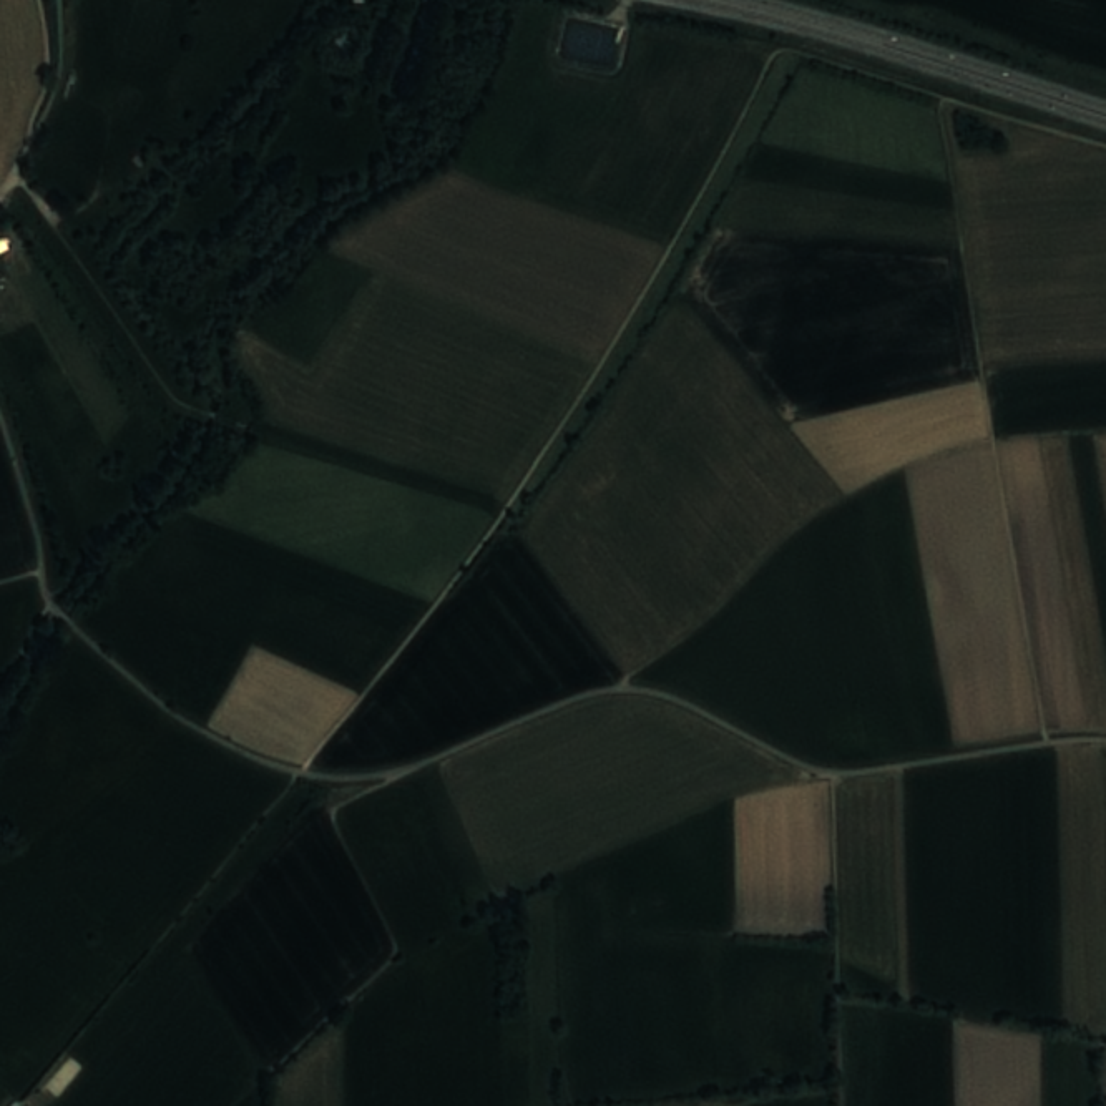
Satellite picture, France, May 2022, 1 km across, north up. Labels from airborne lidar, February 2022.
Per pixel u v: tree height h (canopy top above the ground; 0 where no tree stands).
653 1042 0
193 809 0
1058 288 0
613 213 0
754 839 0
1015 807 0
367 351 0
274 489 0
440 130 17
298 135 0
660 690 0
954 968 0
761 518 0
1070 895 0
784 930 0
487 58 18
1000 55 0
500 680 0
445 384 0
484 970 0
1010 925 0
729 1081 0
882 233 0
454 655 0
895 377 0
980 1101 0
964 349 0
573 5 11
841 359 0
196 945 0
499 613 0
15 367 0
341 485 0
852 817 0
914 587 0
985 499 0
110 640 0
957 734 0
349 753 0
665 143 0
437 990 0
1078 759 0
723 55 0
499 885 0
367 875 0
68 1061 0
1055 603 0
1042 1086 0
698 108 0
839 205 0
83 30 0
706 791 0
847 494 0
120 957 0
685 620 0
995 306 0
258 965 0
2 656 0
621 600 0
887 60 0
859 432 0
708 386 0
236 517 0
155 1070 0
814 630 0
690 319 0
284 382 0
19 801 0
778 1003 0
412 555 0
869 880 0
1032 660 0
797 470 0
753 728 0
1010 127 0
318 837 0
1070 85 0
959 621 0
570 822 0
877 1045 0
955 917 0
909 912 0
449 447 0
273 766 0
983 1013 0
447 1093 0
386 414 0
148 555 0
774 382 0
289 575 0
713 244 0
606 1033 0
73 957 0
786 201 0
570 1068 0
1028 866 0
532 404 0
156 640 0
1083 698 0
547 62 0
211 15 0
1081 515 0
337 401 0
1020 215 0
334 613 0
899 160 0
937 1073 0
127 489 0
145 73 0
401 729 0
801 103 0
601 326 0
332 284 0
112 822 0
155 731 0
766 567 0
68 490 0
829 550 0
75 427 0
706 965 0
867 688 0
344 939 0
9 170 0
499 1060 0
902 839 0
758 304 0
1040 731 0
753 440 0
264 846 0
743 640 0
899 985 0
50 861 0
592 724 0
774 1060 0
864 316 0
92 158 0
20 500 0
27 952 0
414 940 0
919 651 0
